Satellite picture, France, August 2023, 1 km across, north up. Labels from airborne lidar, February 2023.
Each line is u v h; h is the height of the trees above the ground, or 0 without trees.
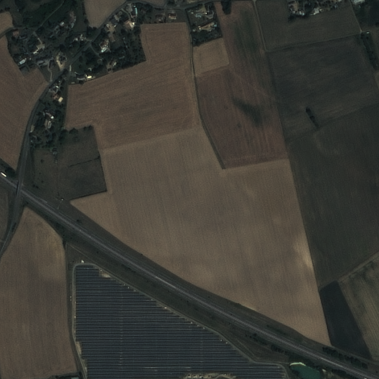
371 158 0
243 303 0
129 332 0
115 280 0
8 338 0
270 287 0
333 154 0
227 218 0
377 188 0
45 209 0
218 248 0
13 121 0
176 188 0
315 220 0
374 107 0
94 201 0
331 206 0
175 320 0
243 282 0
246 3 0
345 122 0
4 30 0
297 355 0
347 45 0
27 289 0
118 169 0
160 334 0
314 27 0
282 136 0
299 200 0
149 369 0
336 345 0
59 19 0
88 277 0
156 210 0
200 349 0
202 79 0
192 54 0
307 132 0
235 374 0
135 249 0
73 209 0
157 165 0
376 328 0
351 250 0
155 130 0
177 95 0
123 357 0
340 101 0
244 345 0
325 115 0
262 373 0
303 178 0
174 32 0
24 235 0
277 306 0
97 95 0
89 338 0
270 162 0
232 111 0
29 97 0
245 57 0
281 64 0
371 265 0
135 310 0
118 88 0
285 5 0
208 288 0
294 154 0
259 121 0
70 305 0
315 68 0
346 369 0
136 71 0
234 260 0
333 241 0
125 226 0
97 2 0
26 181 0
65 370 0
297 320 0
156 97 0
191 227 0
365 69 0
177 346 0
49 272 0
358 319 0
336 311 0
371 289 0
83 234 0
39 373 0
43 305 0
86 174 0
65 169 0
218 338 0
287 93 0
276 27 0
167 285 0
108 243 0
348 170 0
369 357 0
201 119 0
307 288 0
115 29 0
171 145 0
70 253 0
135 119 0
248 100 0
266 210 0
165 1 0
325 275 0
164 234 0
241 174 0
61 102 0
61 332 0
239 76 0
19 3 12
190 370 0
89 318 0
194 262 0
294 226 0
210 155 0
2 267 0
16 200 0
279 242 0
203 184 0
